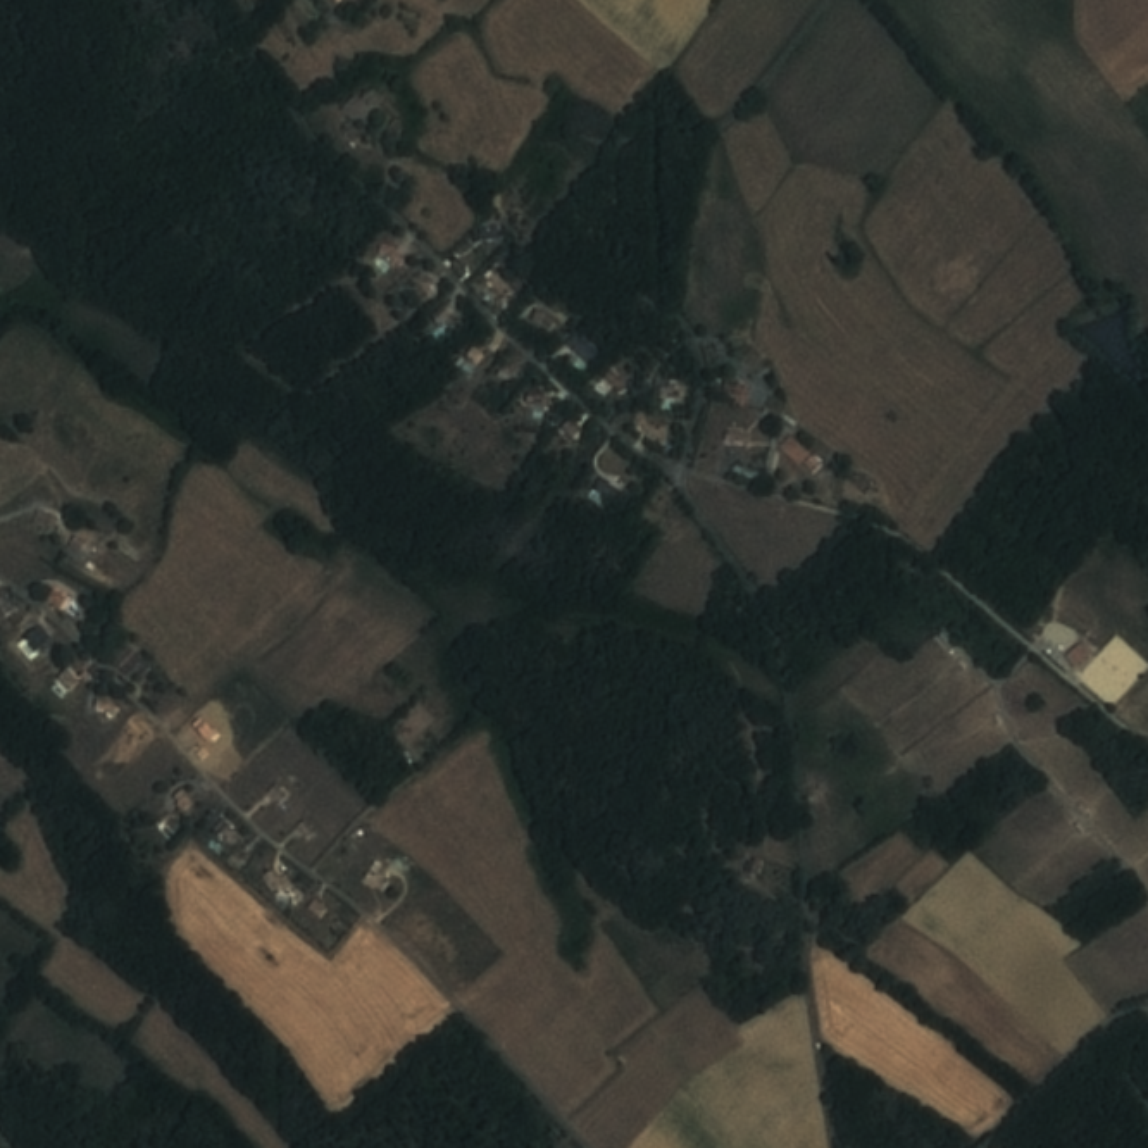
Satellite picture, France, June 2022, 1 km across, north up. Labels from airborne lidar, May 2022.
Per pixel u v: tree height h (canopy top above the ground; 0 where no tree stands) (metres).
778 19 0
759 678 0
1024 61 0
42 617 0
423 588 6
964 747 0
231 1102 0
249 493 0
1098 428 24
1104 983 0
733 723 10
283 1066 10
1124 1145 17
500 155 0
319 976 0
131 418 0
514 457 8
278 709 0
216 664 0
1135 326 20
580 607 6
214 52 11
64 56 16
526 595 6
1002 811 6
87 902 12
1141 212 0
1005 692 0
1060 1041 0
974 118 24
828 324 0
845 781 0
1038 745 0
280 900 0
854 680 0
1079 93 0
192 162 7
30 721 15
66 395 0
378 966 0
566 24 0
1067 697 0
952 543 11
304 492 0
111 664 13
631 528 16
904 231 0
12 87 14
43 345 0
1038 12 0
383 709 0
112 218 7
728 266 0
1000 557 11
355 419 12
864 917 21
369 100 0
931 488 0
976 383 0
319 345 13
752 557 0
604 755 15
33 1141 16
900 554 14
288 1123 12
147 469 0
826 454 0
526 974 0
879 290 0
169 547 0
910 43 24
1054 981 0
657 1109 0
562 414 13
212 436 19
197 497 0
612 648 20
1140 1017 14
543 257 13
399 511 15
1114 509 16
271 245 9
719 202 0
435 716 0
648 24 0
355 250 12
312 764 0
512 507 11
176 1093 14
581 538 10
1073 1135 17
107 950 11
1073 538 16
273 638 0
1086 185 0
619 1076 0
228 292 16
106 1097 14
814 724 0
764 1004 19
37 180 15
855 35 0
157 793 8
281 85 15
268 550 0
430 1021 0
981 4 0
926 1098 0
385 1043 0
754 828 15
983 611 8
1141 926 0
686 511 9
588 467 13
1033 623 11
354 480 16
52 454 0
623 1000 0
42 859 0
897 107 0
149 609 0
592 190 14
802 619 12
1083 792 0
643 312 14
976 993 0
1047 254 0
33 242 13
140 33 14
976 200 0
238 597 0
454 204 0
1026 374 0
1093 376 22
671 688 14
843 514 9
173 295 16
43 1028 0
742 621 12
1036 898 0
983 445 0
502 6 0
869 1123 11
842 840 0
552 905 0
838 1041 0
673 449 8
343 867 0
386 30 0
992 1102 0
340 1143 12
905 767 0
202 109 12
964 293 0
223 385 17
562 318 0
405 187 13
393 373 17
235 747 0
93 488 0
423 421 0
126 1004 0
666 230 16
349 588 0
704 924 21
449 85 0
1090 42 0
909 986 14
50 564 6
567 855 15
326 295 15
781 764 16
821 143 0
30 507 0
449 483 12
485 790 0
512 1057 0
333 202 15
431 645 0
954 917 0
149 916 15
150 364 0
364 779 12
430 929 0
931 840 7
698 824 15
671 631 0
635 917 15
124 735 0
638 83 0
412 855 0
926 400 0
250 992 0
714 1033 0
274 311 14
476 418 0
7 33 13
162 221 8
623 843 15
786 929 21
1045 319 0
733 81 0
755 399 0
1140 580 0
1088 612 0
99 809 14
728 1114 0
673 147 22
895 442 0
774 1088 0
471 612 0
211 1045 16
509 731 10
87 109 13
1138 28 0
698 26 0
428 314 7
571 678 18
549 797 21
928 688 0
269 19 18
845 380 0
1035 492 19
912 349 0
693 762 14
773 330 0
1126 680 0
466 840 0
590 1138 0
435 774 0
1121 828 0
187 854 0
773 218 0
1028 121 0
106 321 0
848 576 15
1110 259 0
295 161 10
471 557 8
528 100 0
